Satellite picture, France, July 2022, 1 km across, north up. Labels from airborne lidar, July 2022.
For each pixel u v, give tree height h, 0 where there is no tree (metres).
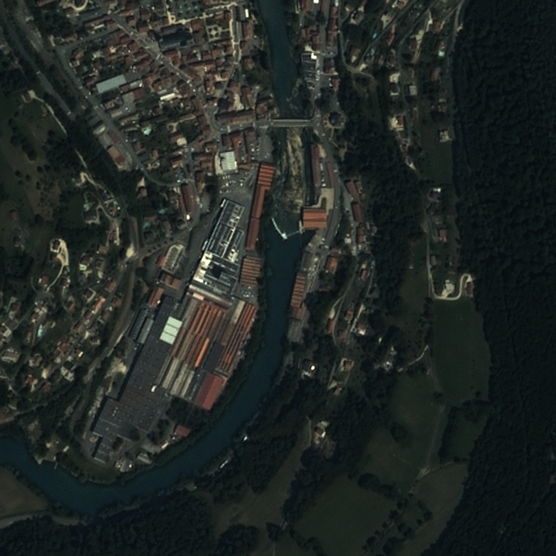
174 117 6
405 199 28
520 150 30
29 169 0
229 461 0
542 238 27
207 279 0
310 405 31
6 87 16
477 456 14
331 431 11
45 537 19
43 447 17
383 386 19
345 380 0
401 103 7
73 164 15
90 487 0
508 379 24
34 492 6
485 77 28
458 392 0
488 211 21
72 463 14
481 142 25
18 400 6
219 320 0
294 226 0
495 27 27
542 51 17
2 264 19
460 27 0
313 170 0
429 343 17
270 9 0
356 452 24
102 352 11
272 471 12
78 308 6
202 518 34
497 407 22
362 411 29
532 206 30
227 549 33
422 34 0
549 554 26
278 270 0
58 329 0
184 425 7
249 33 0
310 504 21
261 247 12
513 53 24
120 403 0
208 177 6
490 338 17
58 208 6
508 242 26
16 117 10
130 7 0
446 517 0
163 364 0
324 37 0
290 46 0
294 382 12
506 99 11
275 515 0
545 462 11
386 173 24
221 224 0
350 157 20
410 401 0
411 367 7
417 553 0
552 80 16
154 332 0
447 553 19
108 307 0
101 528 28
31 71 17
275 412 23
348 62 9
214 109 0
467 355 0
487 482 26
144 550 30
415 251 0
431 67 6
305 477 18
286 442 14
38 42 0
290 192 0
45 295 0
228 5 0
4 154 0
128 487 0
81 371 15
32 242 0
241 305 0
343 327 0
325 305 19
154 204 21
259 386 0
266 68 33
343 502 0
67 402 10
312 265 0
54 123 0
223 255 0
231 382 16
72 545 8
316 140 18
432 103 14
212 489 23
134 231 0
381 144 23
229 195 0
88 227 6
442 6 0
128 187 10
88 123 14
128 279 0
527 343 24
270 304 0
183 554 31
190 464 0
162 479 0
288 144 0
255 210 0
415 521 0
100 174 9
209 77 0
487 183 25
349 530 0
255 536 18
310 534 0
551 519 23
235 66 0
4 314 6
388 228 24
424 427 0
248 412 0
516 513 23
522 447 23
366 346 27
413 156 24
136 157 0
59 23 12
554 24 13
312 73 0
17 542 26
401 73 0
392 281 19
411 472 0
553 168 21
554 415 18
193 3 7
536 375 22
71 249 18
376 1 17
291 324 0
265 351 0
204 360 0
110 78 0
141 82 0
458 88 23
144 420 0
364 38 8
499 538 18
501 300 18
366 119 18
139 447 0
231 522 0
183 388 0
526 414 20
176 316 0
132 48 0
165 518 31
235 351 0
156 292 0
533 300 22
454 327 0
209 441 0
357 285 0
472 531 27
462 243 10
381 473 0
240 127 0
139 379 0
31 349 6
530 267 30
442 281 0
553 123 18
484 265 13
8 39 13
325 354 24
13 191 0
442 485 0
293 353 19
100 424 0
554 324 17
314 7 0
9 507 0
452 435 22
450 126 0
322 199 0
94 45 6
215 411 15
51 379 9
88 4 6
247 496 0
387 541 0
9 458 0
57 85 13
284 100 0
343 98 18
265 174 0
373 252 8
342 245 10
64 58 0
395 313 26
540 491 23
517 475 29
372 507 0
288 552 0
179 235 0
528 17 25
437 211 7
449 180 0
